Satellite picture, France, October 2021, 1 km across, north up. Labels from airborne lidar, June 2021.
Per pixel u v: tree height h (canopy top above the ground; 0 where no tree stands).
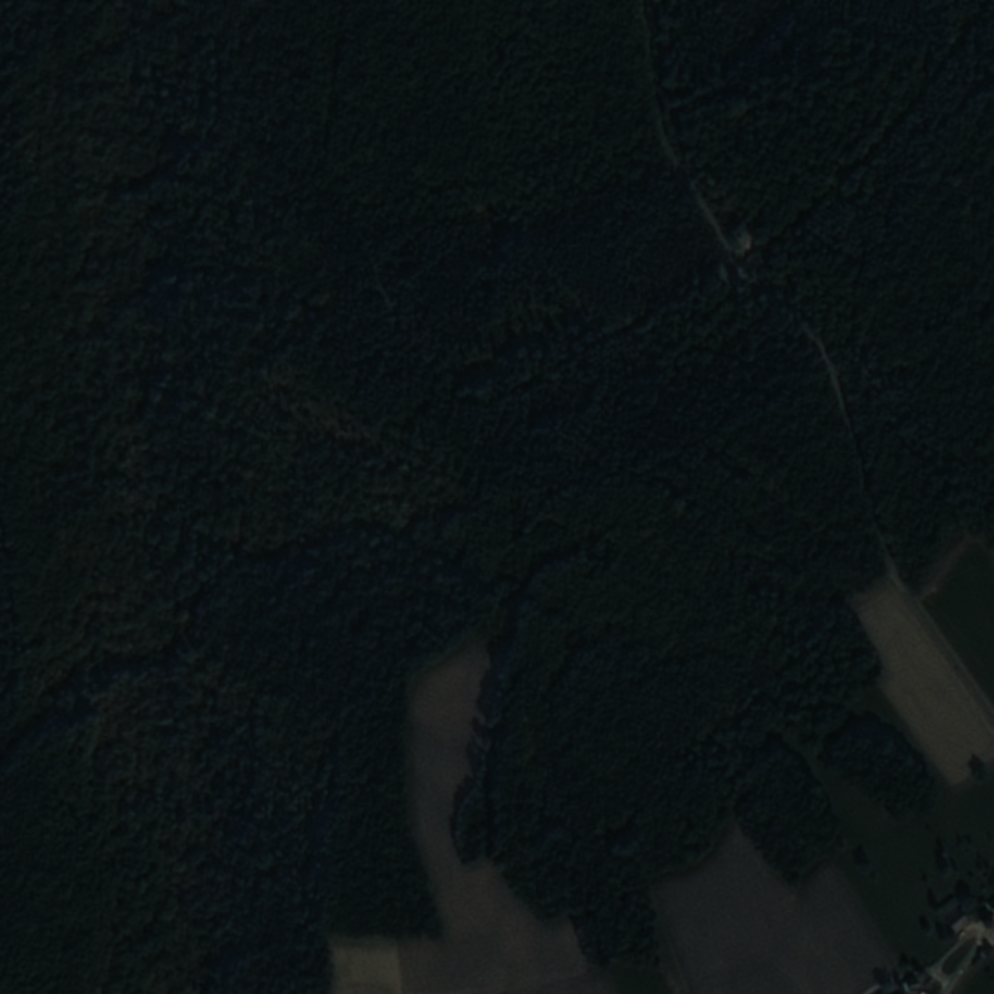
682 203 22
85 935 17
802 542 13
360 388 18
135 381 12
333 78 20
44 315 26
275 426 12
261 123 25
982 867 6
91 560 20
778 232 19
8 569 19
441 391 18
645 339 16
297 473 13
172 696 16
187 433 21
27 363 22
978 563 0
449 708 0
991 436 25
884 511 23
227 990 18
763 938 0
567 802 25
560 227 20
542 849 20
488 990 0
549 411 8
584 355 16
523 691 22
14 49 19
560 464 21
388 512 16
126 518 8
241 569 20
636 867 24
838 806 0
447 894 0
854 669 23
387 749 22
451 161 20
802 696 17
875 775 27
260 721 12
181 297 23
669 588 21
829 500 21
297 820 15
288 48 23
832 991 0
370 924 19
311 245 19
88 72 19
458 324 17
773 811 24
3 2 21
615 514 22
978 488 22
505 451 19
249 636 20
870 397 18
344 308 18
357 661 25
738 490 22
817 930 0
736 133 20
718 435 19
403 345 20
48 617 17
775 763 24
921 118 19
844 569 17
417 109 20
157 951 20
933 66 18
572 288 20
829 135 21
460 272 21
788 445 23
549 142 21
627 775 23
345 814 21
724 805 19
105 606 21
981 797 0
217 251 17
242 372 17
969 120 23
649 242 10
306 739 18
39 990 20
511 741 21
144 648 12
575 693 19
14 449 26
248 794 12
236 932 18
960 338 21
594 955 12
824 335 18
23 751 22
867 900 0
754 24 9
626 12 22
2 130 21
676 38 13
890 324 19
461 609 22
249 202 18
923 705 0
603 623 21
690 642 16
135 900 26
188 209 18
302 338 17
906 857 0
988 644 0
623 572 21
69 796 23
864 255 25
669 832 22
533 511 17
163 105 25
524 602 28
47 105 22
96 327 8
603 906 25
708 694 19
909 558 21
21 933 23
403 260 18
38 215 22
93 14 25
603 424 17
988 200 20
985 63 20
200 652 24
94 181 14
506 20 23
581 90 21
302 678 19
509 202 19
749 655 20
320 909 19
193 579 22
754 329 19
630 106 22
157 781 11
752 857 0
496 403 19
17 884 22
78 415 20
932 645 0
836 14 17
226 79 26
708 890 0
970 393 24
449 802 0
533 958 0
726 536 16
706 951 0
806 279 22
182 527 11
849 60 23
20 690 16
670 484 19
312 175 19
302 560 18
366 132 22
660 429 23
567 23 24
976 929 0
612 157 18
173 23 22
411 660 24
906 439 14
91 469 19
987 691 0
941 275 22
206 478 21
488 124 21
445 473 18
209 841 17
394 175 21
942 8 16
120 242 17
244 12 21
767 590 14
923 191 21
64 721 11
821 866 0
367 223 20
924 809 21
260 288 22
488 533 19
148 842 23
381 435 12
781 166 23
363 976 0
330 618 24
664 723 19
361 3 21
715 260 10
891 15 24
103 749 12
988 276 22
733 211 18
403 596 19
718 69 14
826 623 24
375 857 21
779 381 19
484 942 0
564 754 24
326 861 18
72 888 21
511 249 21
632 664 23
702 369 18
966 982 0
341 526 9
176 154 18
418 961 0
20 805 24
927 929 9
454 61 20
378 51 22
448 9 24
